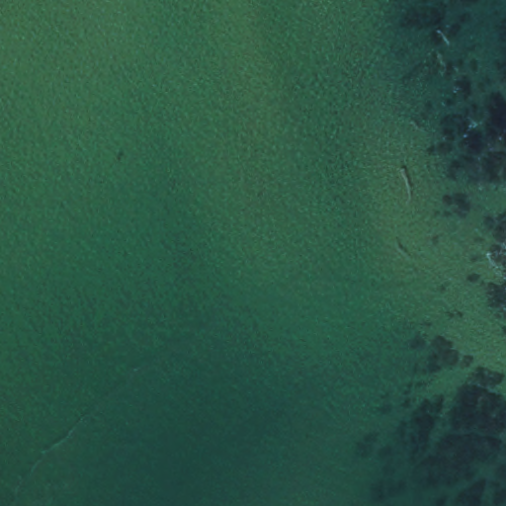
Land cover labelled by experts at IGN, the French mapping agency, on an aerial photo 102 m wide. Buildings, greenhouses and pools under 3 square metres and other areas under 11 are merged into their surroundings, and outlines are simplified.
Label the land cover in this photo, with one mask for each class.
<instances>
[{"label":"water","instance_id":"1","mask_svg":"<svg viewBox=\"0 0 506 506\"><path fill-rule=\"evenodd\" d=\"M0 506H506V0H0Z\"/></svg>","mask_w":506,"mask_h":506}]
</instances>
